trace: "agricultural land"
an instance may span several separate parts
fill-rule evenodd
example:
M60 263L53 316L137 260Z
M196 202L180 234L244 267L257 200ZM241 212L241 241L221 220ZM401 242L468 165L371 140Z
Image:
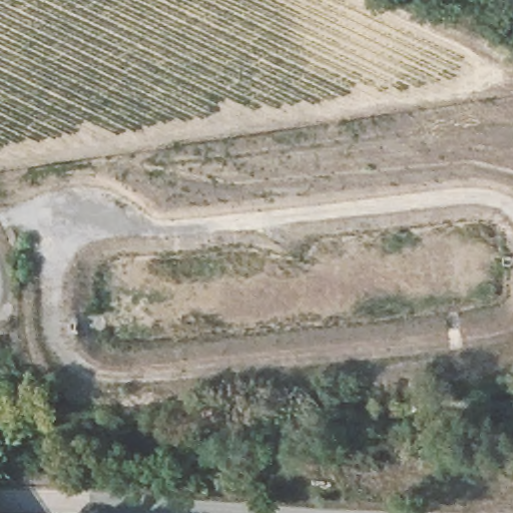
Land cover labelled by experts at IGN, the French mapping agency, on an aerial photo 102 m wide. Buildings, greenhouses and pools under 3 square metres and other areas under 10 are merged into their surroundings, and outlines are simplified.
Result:
M407 108L395 106L391 112L383 114L359 114L341 120L329 118L289 128L238 132L200 140L176 140L172 144L158 148L140 146L134 150L92 154L88 158L92 164L96 164L94 172L106 174L122 182L132 192L152 200L158 210L242 204L244 200L254 198L275 202L277 198L305 198L321 192L343 192L351 188L367 188L375 192L377 188L395 188L403 184L421 186L425 192L429 192L427 188L431 182L469 178L487 178L513 186L513 54L505 46L493 46L489 44L489 40L473 36L465 30L457 30L443 24L435 26L447 38L461 42L463 46L471 48L477 56L503 68L503 84L495 84L485 88L483 92L471 92L469 98L461 98L423 102Z

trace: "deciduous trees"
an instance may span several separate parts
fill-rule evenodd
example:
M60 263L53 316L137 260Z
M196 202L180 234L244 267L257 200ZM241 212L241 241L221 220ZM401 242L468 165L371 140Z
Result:
M6 263L12 267L12 271L26 273L24 248L14 248L6 254Z
M489 44L493 46L505 46L513 54L513 0L377 0L385 10L403 8L409 14L423 6L427 22L435 26L443 24L457 30L465 30L473 36L489 40Z
M14 367L12 357L16 353L12 351L12 345L6 349L0 347L0 431L4 435L6 445L10 447L20 445L24 437L32 445L32 449L26 455L22 455L18 465L24 469L24 481L28 481L34 491L56 489L66 495L78 495L82 491L108 491L112 495L118 495L122 505L128 507L140 505L144 499L152 497L158 507L164 507L170 513L192 513L194 501L244 503L252 513L275 513L281 505L383 513L441 513L447 505L461 505L463 501L485 499L489 487L497 483L501 469L505 469L505 463L513 459L513 373L505 373L503 369L499 369L497 357L485 349L453 349L451 353L435 357L435 361L429 363L425 369L415 369L413 375L409 373L407 379L397 381L397 389L389 391L383 385L375 385L375 379L381 373L377 371L373 361L349 359L343 363L307 365L293 369L250 367L240 373L224 369L214 377L202 377L194 389L180 391L176 397L168 397L160 403L136 407L124 407L120 403L92 403L90 409L70 413L66 417L66 423L54 425L54 409L50 409L44 403L48 399L48 393L40 391L40 387L36 385L30 385L30 373L22 373Z
M92 317L110 311L112 305L108 289L94 291L94 303L86 307Z

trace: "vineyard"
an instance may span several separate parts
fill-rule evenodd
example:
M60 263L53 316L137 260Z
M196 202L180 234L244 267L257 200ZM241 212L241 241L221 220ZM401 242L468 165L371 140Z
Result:
M112 134L124 134L128 130L136 132L144 126L154 126L158 122L208 118L220 110L220 102L224 100L232 100L250 110L259 110L263 106L281 108L283 104L299 102L321 104L325 100L349 96L357 84L371 86L377 92L405 92L409 88L439 84L447 78L457 84L457 92L461 98L469 98L471 92L483 92L485 88L495 84L503 84L503 68L477 56L471 48L463 46L461 42L447 38L435 26L427 22L423 6L409 14L403 8L385 10L377 0L0 0L0 148L22 140L46 140L58 138L62 134L76 134L80 130L80 124L84 122L92 122L104 130L110 130Z

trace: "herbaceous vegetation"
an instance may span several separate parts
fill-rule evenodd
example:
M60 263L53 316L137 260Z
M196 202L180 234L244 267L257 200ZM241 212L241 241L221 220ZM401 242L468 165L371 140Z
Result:
M449 329L449 341L453 349L485 349L497 357L499 369L503 369L505 373L513 373L513 250L507 244L505 232L497 230L493 222L485 222L489 214L493 214L495 206L463 202L409 208L397 212L299 220L265 230L208 232L202 224L158 226L148 222L144 234L124 234L88 242L74 254L72 263L76 265L80 261L94 265L96 269L100 263L108 265L112 273L108 289L112 305L110 311L92 317L94 329L114 327L120 339L170 337L168 347L176 349L180 345L206 345L224 339L244 341L269 335L299 335L307 331L329 331L337 327L369 329L381 325L413 323L425 327L429 319L437 319Z
M513 459L505 463L505 469L501 469L497 483L489 487L485 499L463 501L461 505L447 505L441 513L513 513Z

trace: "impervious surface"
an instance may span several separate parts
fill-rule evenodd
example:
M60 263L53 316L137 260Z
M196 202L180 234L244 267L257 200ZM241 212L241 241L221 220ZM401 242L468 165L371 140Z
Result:
M244 503L194 501L192 513L252 513Z
M48 393L48 399L44 403L50 409L54 409L54 425L66 423L66 417L70 413L90 409L92 403L92 389L96 387L96 383L94 373L90 369L84 369L80 365L62 365L58 361L50 367L38 367L16 353L12 357L14 367L22 373L30 373L30 385L36 385L40 387L40 391Z
M158 507L152 497L144 499L140 505L128 507L122 505L118 495L112 495L108 491L82 491L78 495L66 495L56 489L34 491L28 481L24 481L24 469L18 465L22 455L26 455L32 449L32 445L24 437L20 445L10 447L6 445L4 435L0 431L0 513L170 513L164 507Z
M383 513L281 505L275 513Z

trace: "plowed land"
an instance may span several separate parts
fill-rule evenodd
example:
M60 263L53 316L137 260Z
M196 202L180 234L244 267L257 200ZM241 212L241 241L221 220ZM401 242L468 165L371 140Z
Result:
M435 361L435 357L433 353L419 353L373 361L377 371L381 373L375 379L375 385L383 385L389 391L397 389L397 381L407 379L409 373L413 375L415 369L425 369L429 363Z
M96 387L92 389L92 403L120 403L126 395L136 395L140 391L138 383L96 383Z
M487 178L469 178L431 182L427 188L429 192L441 188L485 188L513 198L513 186Z
M128 367L134 367L134 363L138 361L136 351L168 347L170 337L120 339L114 327L94 329L92 317L86 307L94 303L94 291L108 289L112 273L108 265L100 263L96 269L94 265L80 261L76 265L72 263L68 271L74 275L72 313L76 319L76 337L82 349L92 359L96 359L104 369L126 371Z
M405 92L377 92L371 86L357 84L349 96L325 100L321 104L299 102L283 104L281 108L263 106L259 110L250 110L232 100L224 100L220 102L220 110L208 118L158 122L154 126L144 126L136 132L128 130L124 134L112 134L110 130L104 130L92 122L84 122L80 124L80 130L76 134L62 134L58 138L46 140L22 140L0 148L0 212L4 208L18 206L14 198L16 192L20 192L26 186L40 186L44 178L52 174L68 178L68 172L72 170L94 172L96 164L92 164L88 158L92 154L134 150L140 146L158 148L172 144L176 140L200 140L238 132L289 128L329 118L341 120L359 114L383 114L391 112L395 106L407 108L423 102L461 98L457 92L457 84L447 78L439 84L409 88Z
M12 345L12 351L16 353L38 367L50 367L58 361L58 357L50 351L46 343L42 327L40 273L44 259L38 252L40 236L34 230L24 230L20 226L4 226L0 220L0 347L6 349ZM14 248L24 248L26 273L12 271L12 267L6 263L6 254Z

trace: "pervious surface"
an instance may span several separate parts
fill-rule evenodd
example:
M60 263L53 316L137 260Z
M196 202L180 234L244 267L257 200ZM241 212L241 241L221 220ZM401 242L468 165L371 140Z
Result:
M136 351L138 361L134 363L134 367L128 367L126 371L104 369L96 359L92 359L82 349L76 337L76 319L72 313L74 275L68 271L72 263L74 254L88 242L124 234L144 234L148 222L158 226L202 224L208 232L265 230L299 220L397 212L409 208L463 202L495 206L493 214L489 214L485 222L493 222L497 230L505 232L507 244L513 250L513 198L485 188L441 188L429 192L425 192L421 186L403 184L395 188L377 188L375 192L367 188L351 188L343 192L321 192L305 198L277 198L275 202L254 198L244 200L242 204L158 210L152 200L132 192L122 182L106 174L94 172L72 170L68 172L68 178L52 174L44 178L40 186L26 186L20 192L16 192L14 198L18 206L4 208L0 212L0 220L4 226L20 226L24 230L34 230L40 236L38 252L44 259L40 273L42 327L46 343L50 351L58 357L58 361L62 365L80 365L84 369L90 369L94 373L96 383L138 383L140 391L136 395L126 395L120 403L124 407L136 407L160 403L168 397L176 397L180 391L194 389L202 377L214 377L224 369L240 373L250 367L293 369L307 365L343 363L349 359L373 361L419 353L433 353L435 357L451 353L453 349L449 341L449 329L437 319L429 319L425 327L413 323L381 325L369 329L337 327L329 331L307 331L299 335L269 335L244 341L224 339L206 345L180 345L176 349L168 347Z

